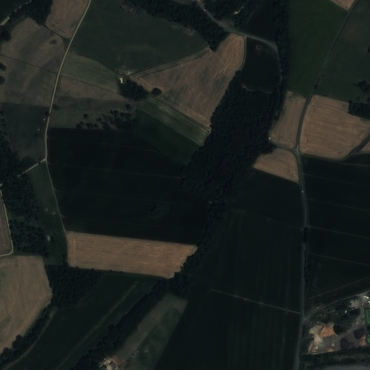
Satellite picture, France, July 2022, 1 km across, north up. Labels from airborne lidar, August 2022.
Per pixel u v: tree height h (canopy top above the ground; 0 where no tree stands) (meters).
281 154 0
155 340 0
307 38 0
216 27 12
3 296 0
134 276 0
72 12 0
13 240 12
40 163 7
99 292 0
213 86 0
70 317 0
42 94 0
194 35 0
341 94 0
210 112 0
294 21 0
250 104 21
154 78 0
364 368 0
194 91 0
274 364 0
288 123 0
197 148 0
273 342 0
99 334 0
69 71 0
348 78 0
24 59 0
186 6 7
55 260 0
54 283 9
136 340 0
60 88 0
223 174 35
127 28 0
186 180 13
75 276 14
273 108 23
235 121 31
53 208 0
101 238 0
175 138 0
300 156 0
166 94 0
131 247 0
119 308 0
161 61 0
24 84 0
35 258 0
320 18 0
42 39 0
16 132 0
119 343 18
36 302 0
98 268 0
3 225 0
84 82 0
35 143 0
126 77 0
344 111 0
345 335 0
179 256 0
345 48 0
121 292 0
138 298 0
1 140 11
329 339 0
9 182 17
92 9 0
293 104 0
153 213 14
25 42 0
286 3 10
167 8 16
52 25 0
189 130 0
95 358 19
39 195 0
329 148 0
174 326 0
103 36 0
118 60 0
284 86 11
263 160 0
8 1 0
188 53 0
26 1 0
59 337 0
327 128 0
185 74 0
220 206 24
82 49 0
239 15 8
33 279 0
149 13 12
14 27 0
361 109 14
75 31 0
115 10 0
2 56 0
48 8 20
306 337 0
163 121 0
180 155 0
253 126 23
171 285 16
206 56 0
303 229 0
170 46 0
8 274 0
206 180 16
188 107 0
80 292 17
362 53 0
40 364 0
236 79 14
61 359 0
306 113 0
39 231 14
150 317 0
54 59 0
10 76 0
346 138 0
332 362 5
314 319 0
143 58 0
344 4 0
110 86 0
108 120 21
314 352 0
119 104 0
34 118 0
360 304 0
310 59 0
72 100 0
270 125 22
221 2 9
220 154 23
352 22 0
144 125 0
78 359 0
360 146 0
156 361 0
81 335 0
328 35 0
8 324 0
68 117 0
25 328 0
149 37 0
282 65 15
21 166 9
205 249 8
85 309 0
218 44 15
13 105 0
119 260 0
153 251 0
